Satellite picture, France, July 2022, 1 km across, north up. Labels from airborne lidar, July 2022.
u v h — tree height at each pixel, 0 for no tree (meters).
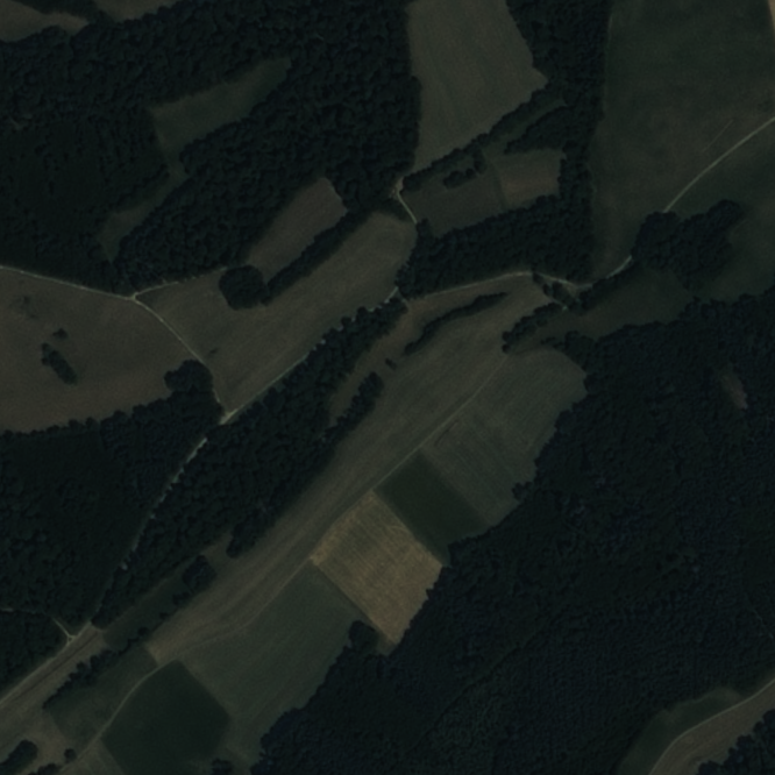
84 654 0
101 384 0
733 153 0
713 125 0
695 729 0
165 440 27
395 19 26
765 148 0
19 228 9
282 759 32
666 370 18
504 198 0
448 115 0
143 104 24
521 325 10
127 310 0
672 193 0
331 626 0
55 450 11
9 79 30
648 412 9
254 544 10
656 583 7
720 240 23
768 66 0
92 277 13
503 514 0
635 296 0
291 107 29
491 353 0
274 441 25
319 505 0
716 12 0
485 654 26
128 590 12
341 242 18
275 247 0
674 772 0
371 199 25
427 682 13
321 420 24
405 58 23
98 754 0
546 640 17
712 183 0
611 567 15
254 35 29
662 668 12
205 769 0
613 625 24
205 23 31
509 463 0
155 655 0
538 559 10
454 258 24
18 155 8
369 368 0
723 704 0
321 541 0
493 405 0
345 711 13
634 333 15
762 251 0
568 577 9
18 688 0
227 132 18
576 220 20
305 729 27
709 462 25
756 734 12
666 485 24
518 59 0
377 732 11
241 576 0
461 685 12
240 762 0
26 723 0
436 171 14
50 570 21
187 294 0
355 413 16
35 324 0
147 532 11
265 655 0
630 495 27
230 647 0
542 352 0
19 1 11
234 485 25
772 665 12
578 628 15
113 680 0
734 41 0
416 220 0
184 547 27
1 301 0
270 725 0
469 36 0
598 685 22
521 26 13
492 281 0
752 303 17
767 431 17
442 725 14
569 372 0
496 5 0
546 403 0
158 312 0
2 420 0
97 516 10
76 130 6
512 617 37
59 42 21
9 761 8
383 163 31
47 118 10
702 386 12
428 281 24
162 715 0
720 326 19
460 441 0
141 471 24
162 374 0
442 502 0
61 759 0
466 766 15
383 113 30
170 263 12
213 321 0
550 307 11
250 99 0
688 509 21
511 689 14
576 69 17
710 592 20
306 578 0
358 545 0
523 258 18
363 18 30
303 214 0
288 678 0
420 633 13
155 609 0
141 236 16
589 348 9
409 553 0
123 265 20
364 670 16
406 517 0
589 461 24
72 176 7
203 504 29
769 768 23
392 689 14
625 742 7
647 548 11
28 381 0
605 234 0
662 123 0
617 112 0
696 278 11
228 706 0
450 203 0
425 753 12
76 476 12
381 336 12
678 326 13
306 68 28
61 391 0
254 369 0
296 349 0
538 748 24
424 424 0
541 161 0
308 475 28
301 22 30
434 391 0
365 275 0
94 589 14
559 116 17
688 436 28
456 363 0
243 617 0
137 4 0
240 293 19
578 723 24
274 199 28
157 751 0
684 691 17
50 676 0
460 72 0
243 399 0
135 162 18
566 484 11
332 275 0
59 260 11
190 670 0
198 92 23
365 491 0
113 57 30
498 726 16
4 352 0
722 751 0
